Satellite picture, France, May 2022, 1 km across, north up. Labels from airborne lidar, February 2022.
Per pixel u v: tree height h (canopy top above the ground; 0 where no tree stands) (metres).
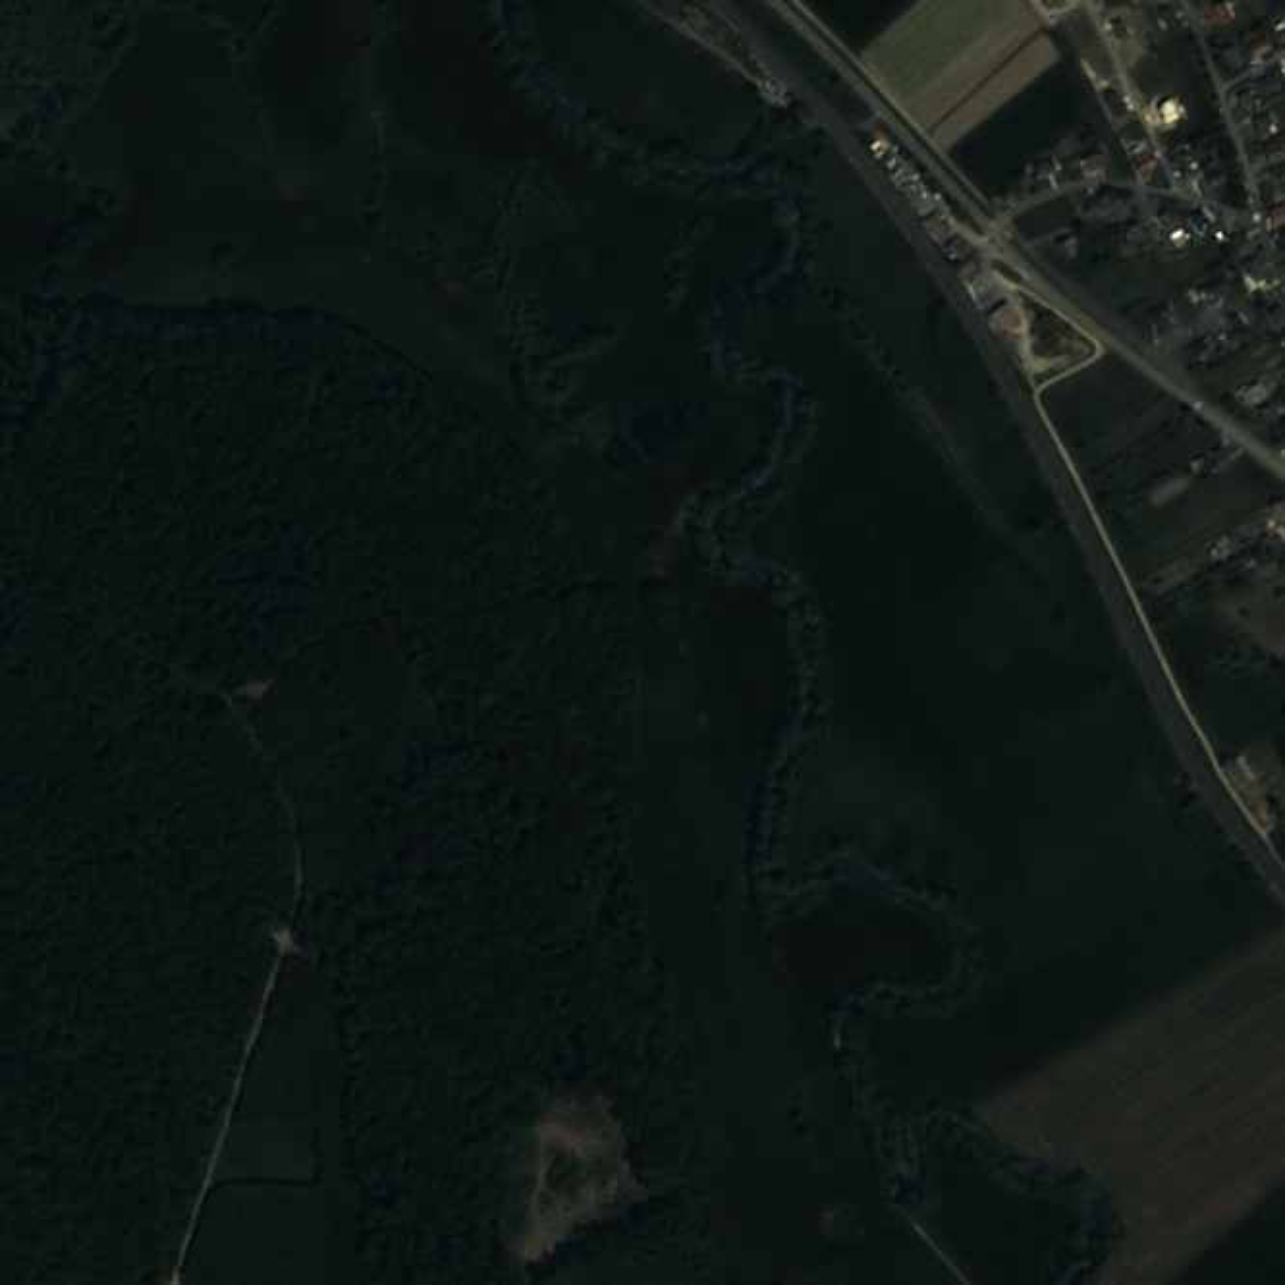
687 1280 0
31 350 21
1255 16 0
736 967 0
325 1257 10
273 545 19
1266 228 0
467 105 0
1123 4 0
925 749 0
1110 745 0
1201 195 0
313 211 0
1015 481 0
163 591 20
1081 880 0
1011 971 0
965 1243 0
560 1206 0
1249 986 0
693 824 0
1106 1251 17
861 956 0
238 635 23
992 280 0
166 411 22
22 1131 21
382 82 0
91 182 0
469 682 23
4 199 0
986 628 0
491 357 0
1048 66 0
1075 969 0
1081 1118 0
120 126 0
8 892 27
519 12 20
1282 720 0
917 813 0
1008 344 0
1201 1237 0
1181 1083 0
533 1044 20
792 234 17
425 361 0
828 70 0
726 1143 0
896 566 0
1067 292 0
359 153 0
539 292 0
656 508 0
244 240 0
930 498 0
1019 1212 0
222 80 0
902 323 0
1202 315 0
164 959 24
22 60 9
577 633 28
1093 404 0
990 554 0
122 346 25
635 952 27
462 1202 27
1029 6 0
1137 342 0
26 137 20
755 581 0
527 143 0
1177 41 0
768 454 15
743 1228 0
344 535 22
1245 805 0
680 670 0
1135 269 0
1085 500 0
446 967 20
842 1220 0
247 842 20
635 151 14
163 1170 20
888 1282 0
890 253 0
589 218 0
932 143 0
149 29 0
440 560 26
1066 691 0
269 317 17
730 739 0
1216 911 0
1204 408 0
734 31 0
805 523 0
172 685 21
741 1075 0
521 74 20
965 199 0
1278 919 0
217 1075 23
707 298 0
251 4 0
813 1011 0
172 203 0
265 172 0
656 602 20
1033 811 0
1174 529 0
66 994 20
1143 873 0
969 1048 0
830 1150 0
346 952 18
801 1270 0
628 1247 22
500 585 25
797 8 0
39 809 21
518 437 0
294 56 0
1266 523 0
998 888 0
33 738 13
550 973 25
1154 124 0
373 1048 22
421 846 23
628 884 21
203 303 0
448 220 0
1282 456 0
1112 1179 0
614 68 0
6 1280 20
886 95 0
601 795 29
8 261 0
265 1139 0
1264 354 0
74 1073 21
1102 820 0
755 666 0
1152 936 0
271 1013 8
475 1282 27
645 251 0
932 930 0
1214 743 0
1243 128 0
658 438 35
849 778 0
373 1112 19
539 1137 0
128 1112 23
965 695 0
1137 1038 0
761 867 19
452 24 0
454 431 32
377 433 30
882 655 0
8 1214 19
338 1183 10
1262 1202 0
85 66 16
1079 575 0
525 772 28
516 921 21
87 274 0
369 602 18
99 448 21
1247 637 0
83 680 19
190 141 0
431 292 0
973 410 0
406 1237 19
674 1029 22
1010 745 0
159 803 19
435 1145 25
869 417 0
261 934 19
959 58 0
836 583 0
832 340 0
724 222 0
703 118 0
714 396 0
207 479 22
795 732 24
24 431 23
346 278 0
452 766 20
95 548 21
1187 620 0
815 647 14
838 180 0
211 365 25
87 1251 19
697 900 0
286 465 22
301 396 27
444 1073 25
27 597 21
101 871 24
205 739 21
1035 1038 0
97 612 18
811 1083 0
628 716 20
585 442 0
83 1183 18
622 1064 29
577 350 16
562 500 0
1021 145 0
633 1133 21
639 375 0
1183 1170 0
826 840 0
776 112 7
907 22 0
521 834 24
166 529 21
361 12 0
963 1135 10
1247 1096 0
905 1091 0
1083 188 0
